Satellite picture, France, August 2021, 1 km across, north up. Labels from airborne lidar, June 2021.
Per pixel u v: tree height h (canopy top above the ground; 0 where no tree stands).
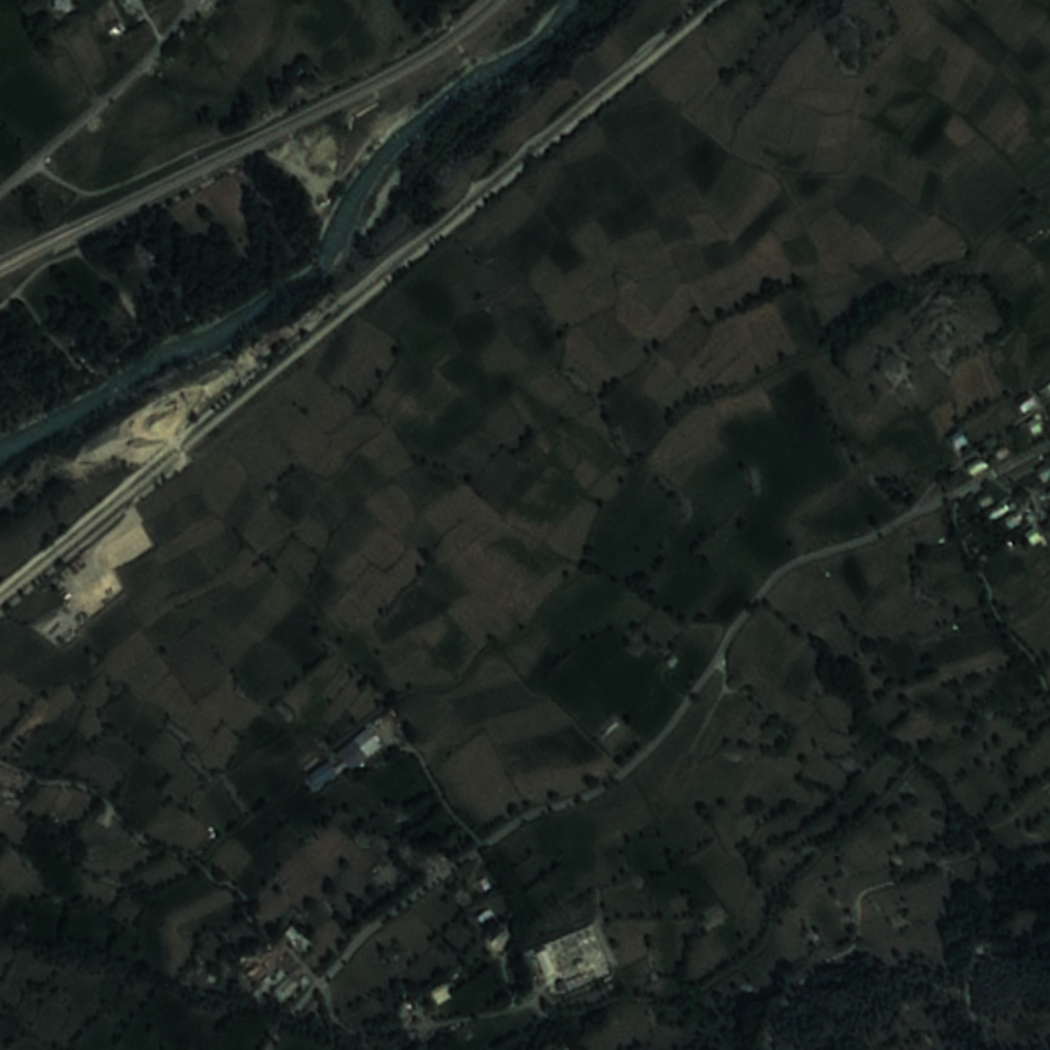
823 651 13
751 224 0
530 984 11
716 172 0
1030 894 21
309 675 7
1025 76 0
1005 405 0
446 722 0
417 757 7
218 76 0
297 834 0
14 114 0
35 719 0
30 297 0
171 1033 0
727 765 0
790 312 0
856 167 0
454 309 0
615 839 0
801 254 0
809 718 0
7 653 0
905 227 0
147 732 0
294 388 0
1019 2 0
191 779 0
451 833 9
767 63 0
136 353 13
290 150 0
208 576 0
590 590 0
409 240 0
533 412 0
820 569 0
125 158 0
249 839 0
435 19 22
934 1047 0
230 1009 8
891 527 0
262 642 0
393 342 0
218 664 0
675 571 0
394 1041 10
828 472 0
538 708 0
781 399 0
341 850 0
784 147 0
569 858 0
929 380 0
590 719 0
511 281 0
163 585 0
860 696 14
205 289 16
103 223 0
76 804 0
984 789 0
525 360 0
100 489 0
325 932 0
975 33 0
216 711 0
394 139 0
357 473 0
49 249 0
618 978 0
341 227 0
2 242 0
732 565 0
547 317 0
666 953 0
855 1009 13
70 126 0
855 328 16
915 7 0
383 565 0
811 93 0
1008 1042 0
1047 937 17
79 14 9
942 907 0
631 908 0
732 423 0
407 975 0
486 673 0
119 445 0
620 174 0
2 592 0
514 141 0
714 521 0
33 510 6
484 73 0
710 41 0
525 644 0
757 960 0
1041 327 0
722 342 0
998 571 0
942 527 0
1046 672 11
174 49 15
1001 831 0
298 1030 12
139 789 0
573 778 0
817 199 0
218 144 0
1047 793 0
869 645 11
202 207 0
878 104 0
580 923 0
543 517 0
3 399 22
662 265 0
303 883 0
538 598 0
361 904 8
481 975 6
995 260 0
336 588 0
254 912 10
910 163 0
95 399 0
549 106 0
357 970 0
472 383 0
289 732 0
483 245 0
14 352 25
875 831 0
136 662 0
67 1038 0
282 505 0
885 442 0
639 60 0
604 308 0
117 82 0
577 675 0
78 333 21
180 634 0
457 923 6
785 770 0
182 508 0
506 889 8
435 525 0
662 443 0
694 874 0
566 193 0
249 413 0
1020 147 0
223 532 0
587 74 0
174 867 0
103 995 0
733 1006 7
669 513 0
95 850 0
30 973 0
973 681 11
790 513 0
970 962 13
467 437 0
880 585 0
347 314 0
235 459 0
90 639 0
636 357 0
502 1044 9
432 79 0
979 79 0
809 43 0
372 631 0
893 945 0
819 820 8
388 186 0
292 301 20
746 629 0
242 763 0
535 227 0
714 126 0
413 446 0
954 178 0
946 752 0
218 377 0
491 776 0
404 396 0
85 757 0
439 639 0
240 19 0
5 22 0
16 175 0
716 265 0
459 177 0
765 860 7
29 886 0
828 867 0
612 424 11
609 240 0
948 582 0
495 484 0
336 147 0
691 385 0
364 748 0
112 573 0
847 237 0
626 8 7
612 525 0
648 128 0
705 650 0
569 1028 9
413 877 8
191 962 6
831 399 0
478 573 0
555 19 0
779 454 0
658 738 0
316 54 0
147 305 15
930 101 0
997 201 0
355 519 0
